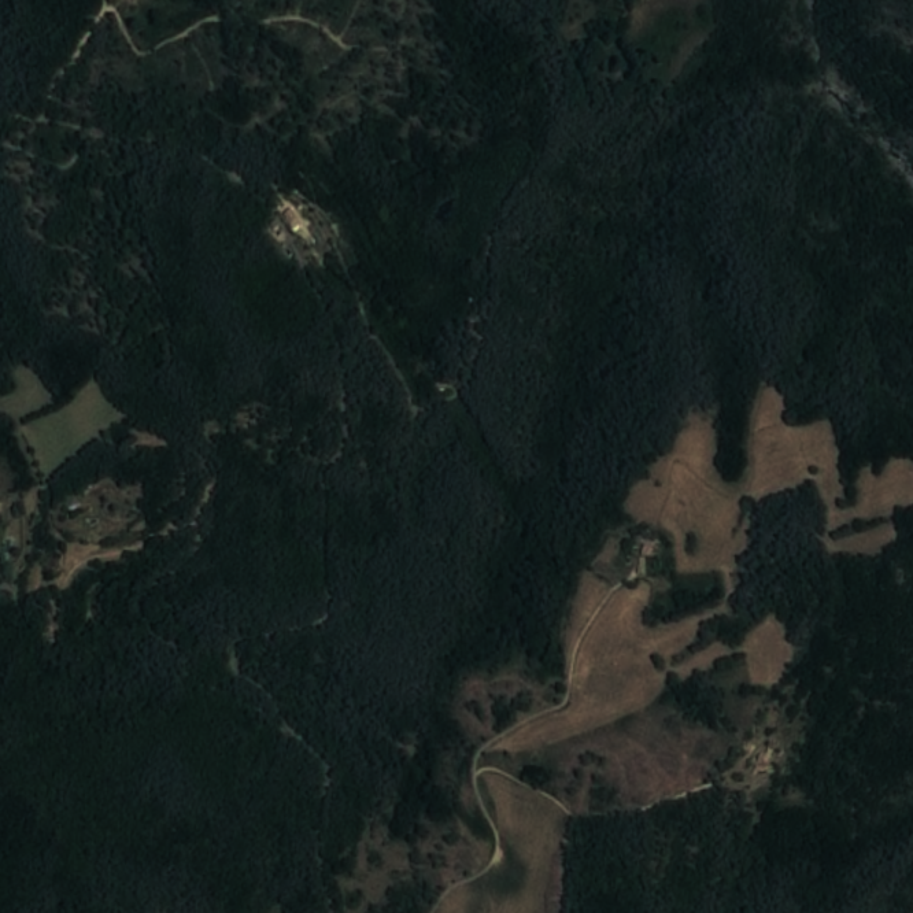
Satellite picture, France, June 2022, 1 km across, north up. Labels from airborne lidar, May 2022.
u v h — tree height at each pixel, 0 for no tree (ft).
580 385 92
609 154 78
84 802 57
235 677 31
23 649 60
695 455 0
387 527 56
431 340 29
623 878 49
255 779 51
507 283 43
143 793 61
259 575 56
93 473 47
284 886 73
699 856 29
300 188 41
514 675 0
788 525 45
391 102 62
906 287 69
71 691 52
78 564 0
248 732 47
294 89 56
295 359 63
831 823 53
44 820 69
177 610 54
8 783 54
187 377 66
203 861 55
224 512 52
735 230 58
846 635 49
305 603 49
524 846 0
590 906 58
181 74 0
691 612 48
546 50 90
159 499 59
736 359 73
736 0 40
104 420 0
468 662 65
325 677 52
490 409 61
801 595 52
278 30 42
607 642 0
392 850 0
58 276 50
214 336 65
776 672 0
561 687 40
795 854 86
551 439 117
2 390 53
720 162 34
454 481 66
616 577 0
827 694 46
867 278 53
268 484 47
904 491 0
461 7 45
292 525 53
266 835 59
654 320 45
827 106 19
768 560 26
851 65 37
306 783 56
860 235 46
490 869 0
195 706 42
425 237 65
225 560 54
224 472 54
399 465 51
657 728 0
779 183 59
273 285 44
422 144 60
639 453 59
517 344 64
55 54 46
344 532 55
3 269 69
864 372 52
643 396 71
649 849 42
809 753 37
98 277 54
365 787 48
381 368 50
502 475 42
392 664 63
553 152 53
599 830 52
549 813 0
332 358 75
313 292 37
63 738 57
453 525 58
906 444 46
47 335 70
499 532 78
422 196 59
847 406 66
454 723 40
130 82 0
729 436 52
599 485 79
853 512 0
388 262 34
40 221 57
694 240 61
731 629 30
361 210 41
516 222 57
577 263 37
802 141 56
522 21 42
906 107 57
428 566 60
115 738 46
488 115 60
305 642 61
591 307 52
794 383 62
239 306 54
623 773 0
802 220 31
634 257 94
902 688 21
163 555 54
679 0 0
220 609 72
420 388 33
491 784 0
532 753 0
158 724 43
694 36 0
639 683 0
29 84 64
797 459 0
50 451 0
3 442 33
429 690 69
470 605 63
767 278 62
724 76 35
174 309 62
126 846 42
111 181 45
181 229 58
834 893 71
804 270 72
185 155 50
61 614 49
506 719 25
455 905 0
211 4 54
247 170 68
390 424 45
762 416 0
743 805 46
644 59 106
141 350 52
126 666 55
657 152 46
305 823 61
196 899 56
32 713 35
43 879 60
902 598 35
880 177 32
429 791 33
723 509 0
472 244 21
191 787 58
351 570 66
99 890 44
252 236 63
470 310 19
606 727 0
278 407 52
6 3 69
